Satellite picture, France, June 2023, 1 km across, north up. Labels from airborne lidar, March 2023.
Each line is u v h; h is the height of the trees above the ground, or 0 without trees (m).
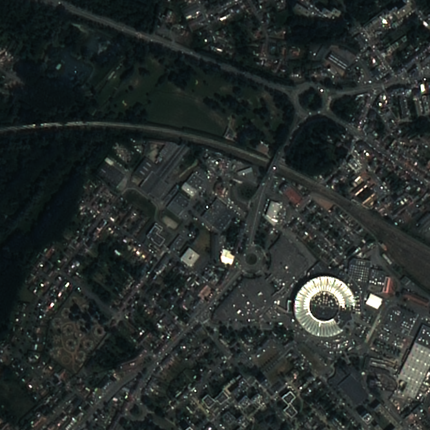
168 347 0
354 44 14
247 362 0
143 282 0
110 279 15
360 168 0
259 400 0
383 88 0
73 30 9
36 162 35
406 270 0
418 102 0
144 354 0
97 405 0
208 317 0
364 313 0
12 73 0
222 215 0
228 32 9
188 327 0
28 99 34
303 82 0
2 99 16
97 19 0
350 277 0
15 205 15
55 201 25
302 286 0
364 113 0
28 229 0
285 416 0
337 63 0
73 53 0
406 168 0
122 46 27
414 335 0
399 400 0
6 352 0
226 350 0
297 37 17
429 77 0
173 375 0
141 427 9
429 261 0
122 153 0
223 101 14
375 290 0
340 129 11
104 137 8
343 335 0
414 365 0
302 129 15
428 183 0
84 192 0
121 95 0
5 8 11
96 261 12
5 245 22
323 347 0
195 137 0
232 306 0
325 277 0
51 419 0
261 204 0
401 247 0
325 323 0
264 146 0
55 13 22
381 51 0
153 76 0
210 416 0
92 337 0
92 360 7
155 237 0
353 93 0
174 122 0
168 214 0
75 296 0
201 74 0
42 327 0
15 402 0
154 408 8
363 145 0
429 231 0
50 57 24
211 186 0
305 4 0
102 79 0
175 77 20
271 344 0
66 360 0
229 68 0
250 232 0
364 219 0
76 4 14
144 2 22
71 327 0
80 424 0
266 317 0
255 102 0
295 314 0
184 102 0
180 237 0
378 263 0
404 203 0
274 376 0
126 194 0
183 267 0
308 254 0
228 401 0
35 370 0
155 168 0
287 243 0
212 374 0
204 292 0
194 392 0
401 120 0
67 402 0
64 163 10
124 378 0
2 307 37
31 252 13
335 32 13
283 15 0
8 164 28
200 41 5
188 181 0
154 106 0
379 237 0
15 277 39
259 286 0
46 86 33
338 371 0
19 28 18
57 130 21
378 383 0
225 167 0
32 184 17
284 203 0
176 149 0
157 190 0
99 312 19
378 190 0
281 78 7
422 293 0
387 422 0
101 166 0
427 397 0
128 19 12
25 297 0
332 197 0
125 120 6
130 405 0
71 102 21
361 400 0
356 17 0
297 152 14
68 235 0
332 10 0
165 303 0
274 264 0
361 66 0
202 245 0
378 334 0
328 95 0
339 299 0
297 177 0
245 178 0
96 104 15
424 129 18
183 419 0
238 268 0
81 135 6
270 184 0
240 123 0
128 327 9
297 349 0
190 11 0
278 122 0
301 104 8
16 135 15
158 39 0
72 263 0
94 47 0
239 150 0
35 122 15
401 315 0
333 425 0
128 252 0
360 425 8
